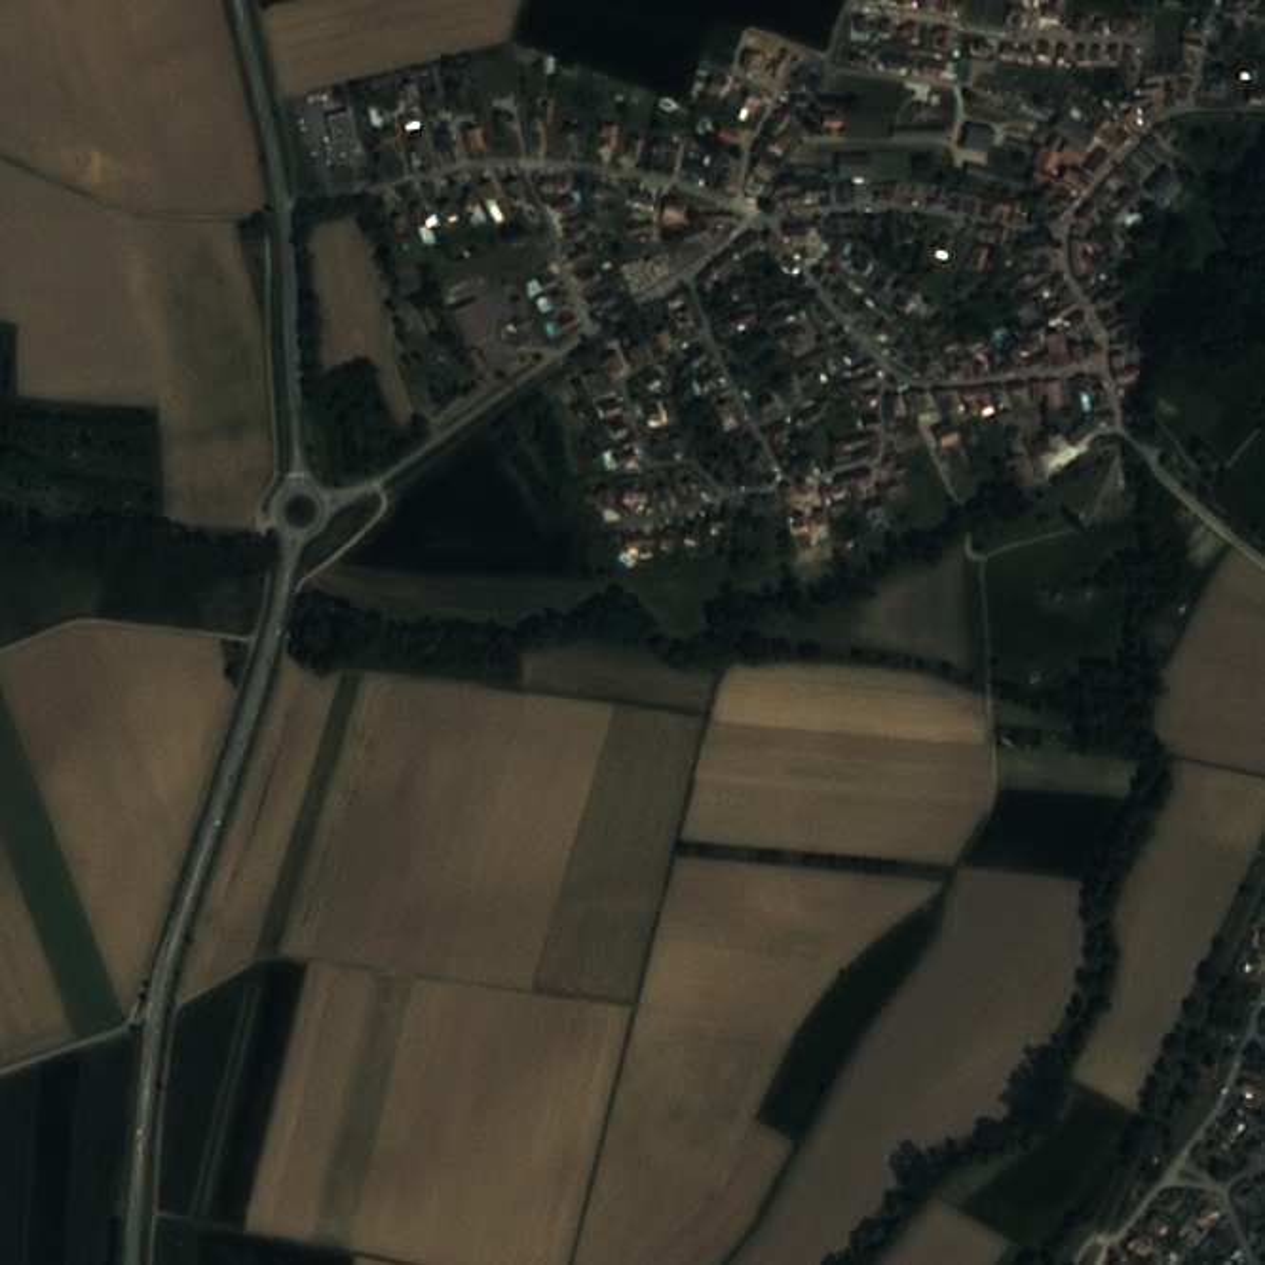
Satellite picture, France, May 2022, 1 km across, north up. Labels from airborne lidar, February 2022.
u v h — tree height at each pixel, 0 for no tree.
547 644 13
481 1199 0
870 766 0
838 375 0
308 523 0
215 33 0
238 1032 0
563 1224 0
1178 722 0
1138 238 16
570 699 0
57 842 0
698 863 0
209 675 0
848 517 0
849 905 0
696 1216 0
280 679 0
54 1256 0
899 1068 0
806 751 0
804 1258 0
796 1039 0
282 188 0
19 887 0
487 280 0
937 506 0
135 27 0
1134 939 0
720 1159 0
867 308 0
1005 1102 0
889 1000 0
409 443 9
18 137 0
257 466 0
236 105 0
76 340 0
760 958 0
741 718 0
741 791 0
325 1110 0
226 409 0
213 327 0
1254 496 0
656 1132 0
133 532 20
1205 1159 0
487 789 0
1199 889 0
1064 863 0
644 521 0
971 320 6
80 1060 0
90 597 0
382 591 0
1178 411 0
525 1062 0
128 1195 0
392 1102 0
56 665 0
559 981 0
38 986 0
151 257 0
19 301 0
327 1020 0
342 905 0
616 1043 0
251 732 0
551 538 0
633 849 0
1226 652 0
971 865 0
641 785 0
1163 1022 0
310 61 0
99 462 0
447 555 0
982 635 0
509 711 0
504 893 0
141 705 0
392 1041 0
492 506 0
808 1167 0
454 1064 0
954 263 0
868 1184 0
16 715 0
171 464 0
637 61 0
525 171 0
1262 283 26
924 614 0
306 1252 0
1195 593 0
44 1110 0
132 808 0
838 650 0
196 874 0
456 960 0
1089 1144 0
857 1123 0
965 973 0
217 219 0
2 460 16
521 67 0
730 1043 0
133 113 0
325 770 0
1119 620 0
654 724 0
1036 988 0
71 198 0
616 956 0
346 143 0
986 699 0
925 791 0
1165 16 0
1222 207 22
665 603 0
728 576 0
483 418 0
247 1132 0
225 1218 0
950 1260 0
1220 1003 12
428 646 22
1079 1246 0
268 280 0
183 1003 0
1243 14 0
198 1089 0
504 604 0
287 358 0
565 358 0
